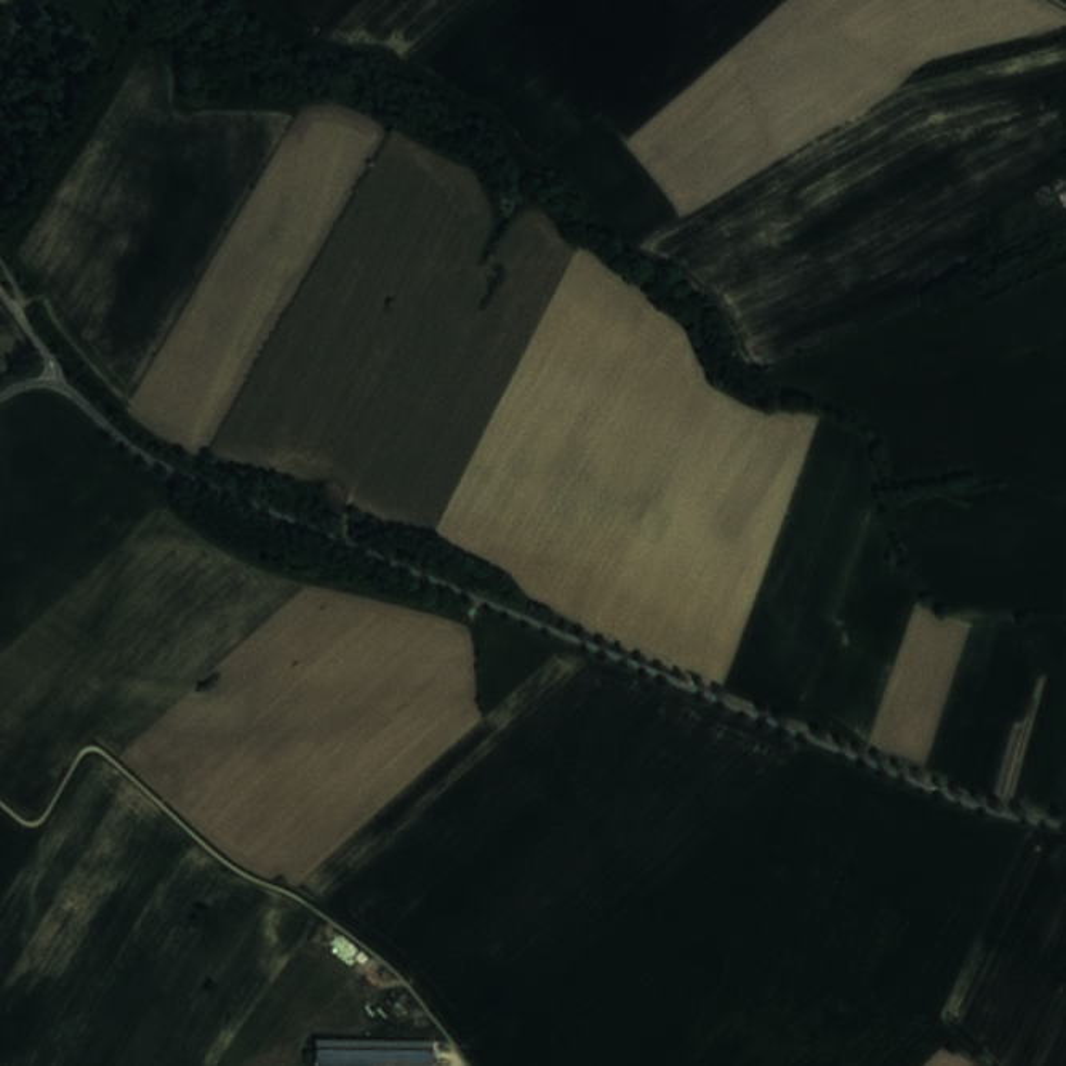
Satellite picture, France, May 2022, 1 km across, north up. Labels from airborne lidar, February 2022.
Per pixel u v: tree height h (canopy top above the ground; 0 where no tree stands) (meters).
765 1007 0
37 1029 0
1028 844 0
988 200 0
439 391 0
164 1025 0
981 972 0
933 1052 0
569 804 0
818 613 0
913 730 0
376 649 0
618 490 0
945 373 0
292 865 0
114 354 0
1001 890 0
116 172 0
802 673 0
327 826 0
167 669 0
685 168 0
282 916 0
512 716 0
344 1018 0
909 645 0
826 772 0
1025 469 0
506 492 0
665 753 0
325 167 0
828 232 0
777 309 0
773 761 0
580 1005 0
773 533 0
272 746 0
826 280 0
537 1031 0
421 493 0
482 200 0
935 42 0
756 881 0
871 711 0
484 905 0
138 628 0
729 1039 0
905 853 0
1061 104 0
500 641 0
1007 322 0
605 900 0
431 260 0
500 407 0
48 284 0
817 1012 0
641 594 0
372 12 0
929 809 0
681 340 0
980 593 0
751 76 0
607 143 0
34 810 0
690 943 0
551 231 0
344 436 0
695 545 0
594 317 0
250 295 0
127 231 0
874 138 0
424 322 0
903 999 0
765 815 0
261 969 0
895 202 0
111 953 0
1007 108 0
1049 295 0
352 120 0
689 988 0
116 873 0
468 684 0
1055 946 0
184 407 0
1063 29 0
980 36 0
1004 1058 0
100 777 0
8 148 34
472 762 0
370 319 0
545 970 0
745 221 0
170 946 0
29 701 0
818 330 0
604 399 0
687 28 0
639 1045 0
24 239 0
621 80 0
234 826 0
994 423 0
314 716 0
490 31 0
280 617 0
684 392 0
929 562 0
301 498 20
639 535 0
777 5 0
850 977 0
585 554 0
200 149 0
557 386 0
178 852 0
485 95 0
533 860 0
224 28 23
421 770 0
